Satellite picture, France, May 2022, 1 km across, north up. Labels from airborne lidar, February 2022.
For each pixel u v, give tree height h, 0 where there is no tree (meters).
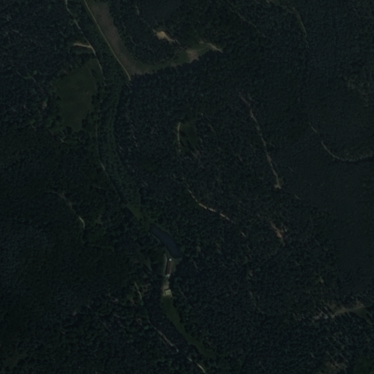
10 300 24
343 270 20
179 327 0
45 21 36
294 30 27
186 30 33
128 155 24
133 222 26
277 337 27
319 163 20
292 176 19
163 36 0
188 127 0
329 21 27
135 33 27
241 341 22
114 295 29
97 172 26
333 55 24
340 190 20
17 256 25
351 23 21
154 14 20
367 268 19
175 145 29
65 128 0
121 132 25
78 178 18
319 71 28
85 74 0
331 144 16
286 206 7
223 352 30
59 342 24
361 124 21
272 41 27
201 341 20
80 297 22
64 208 20
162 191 27
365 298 26
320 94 28
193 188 24
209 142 28
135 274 26
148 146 28
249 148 27
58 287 19
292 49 34
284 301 24
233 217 30
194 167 31
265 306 25
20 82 31
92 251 16
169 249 0
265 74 29
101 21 0
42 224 18
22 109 32
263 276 22
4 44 28
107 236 14
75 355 27
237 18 28
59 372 31
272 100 27
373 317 34
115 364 31
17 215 17
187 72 26
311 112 25
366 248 18
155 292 30
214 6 28
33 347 11
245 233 29
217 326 27
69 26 29
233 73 27
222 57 35
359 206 18
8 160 27
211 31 26
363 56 14
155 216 26
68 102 0
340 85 17
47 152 23
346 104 21
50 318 24
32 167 26
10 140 23
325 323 33
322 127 22
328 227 14
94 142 20
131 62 0
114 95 24
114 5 29
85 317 31
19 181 27
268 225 27
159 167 32
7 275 25
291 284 26
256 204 30
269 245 28
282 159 21
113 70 28
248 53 35
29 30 29
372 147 24
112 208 12
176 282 29
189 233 27
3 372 0
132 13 26
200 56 0
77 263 22
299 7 30
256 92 27
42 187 18
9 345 7
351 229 17
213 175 29
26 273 26
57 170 19
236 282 26
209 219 31
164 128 26
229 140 20
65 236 17
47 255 19
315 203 19
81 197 20
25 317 19
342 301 10
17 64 30
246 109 32
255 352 25
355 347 26
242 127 26
